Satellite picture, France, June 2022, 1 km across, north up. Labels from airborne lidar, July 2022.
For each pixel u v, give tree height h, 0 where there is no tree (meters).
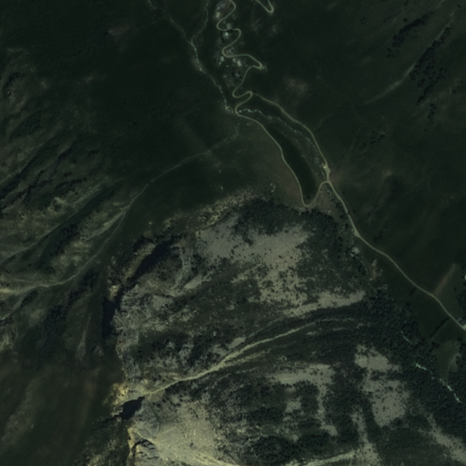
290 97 0
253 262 0
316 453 9
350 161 0
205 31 0
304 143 0
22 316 0
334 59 0
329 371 0
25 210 0
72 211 0
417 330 12
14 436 0
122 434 0
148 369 0
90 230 0
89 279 10
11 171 0
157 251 0
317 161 0
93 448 0
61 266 0
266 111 0
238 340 0
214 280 0
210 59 0
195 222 0
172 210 0
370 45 0
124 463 7
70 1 0
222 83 0
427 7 0
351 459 0
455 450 0
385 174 0
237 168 0
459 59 0
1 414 0
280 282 0
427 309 0
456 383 16
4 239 0
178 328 0
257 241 0
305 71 0
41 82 0
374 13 0
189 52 0
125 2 0
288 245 0
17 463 0
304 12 0
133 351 0
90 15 0
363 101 0
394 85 0
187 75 0
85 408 0
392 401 0
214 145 0
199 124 0
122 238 0
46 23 0
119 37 0
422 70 11
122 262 8
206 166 0
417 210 0
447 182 0
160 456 0
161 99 0
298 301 0
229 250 0
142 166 0
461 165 0
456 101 0
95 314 0
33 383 0
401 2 0
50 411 0
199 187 0
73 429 0
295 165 0
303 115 0
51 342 6
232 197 0
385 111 0
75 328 0
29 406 0
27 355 0
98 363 0
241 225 8
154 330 0
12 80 15
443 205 0
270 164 0
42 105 7
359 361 0
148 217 0
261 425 13
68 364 0
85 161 0
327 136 0
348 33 0
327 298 0
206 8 0
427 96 12
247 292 0
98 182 0
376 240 7
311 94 0
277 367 0
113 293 0
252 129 0
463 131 0
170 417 0
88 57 0
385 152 0
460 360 9
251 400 7
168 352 7
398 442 7
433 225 0
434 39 0
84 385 0
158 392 0
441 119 0
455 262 0
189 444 0
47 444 0
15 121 0
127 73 0
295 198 0
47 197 6
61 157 9
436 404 14
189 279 11
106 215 0
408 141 0
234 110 0
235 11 0
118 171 0
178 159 0
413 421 6
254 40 0
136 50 0
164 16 0
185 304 10
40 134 0
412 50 0
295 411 6
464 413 17
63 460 0
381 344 10
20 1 0
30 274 0
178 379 0
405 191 0
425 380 17
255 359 0
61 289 0
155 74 0
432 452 0
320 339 7
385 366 0
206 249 0
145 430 0
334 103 0
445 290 0
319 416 0
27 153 0
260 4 0
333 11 0
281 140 0
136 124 11
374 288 0
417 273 0
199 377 0
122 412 9
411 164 0
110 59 0
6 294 0
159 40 0
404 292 0
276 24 0
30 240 6
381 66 0
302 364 0
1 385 0
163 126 0
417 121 0
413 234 0
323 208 0
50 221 0
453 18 0
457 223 0
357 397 12
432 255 0
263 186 0
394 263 0
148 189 0
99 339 0
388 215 0
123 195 0
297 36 0
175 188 0
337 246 13
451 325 0
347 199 0
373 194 0
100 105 0
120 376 0
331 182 0
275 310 0
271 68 0
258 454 10
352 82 0
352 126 0
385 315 17
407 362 14
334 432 0
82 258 0
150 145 0
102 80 0
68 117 0
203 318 0
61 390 0
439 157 0
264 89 0
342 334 9
